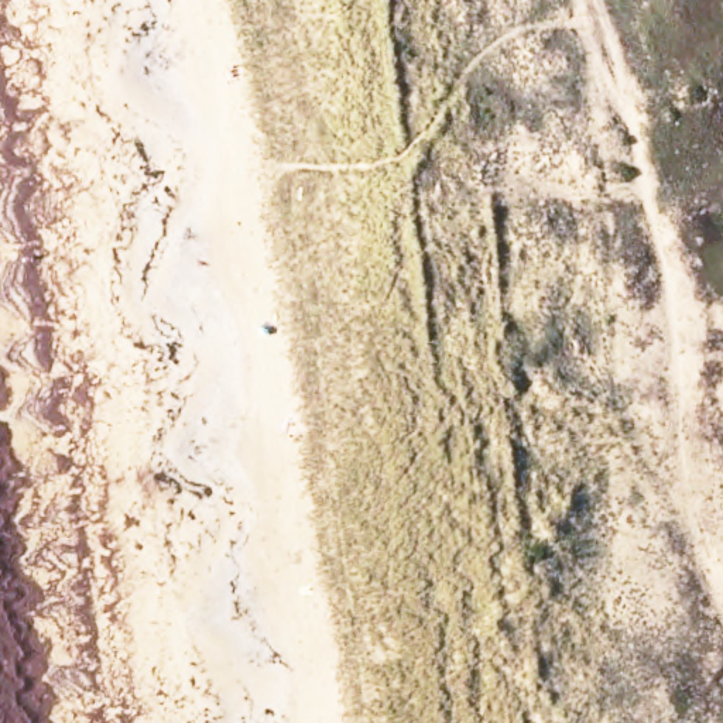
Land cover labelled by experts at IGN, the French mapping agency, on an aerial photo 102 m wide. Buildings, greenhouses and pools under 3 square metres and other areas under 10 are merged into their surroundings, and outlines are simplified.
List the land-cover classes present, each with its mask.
<instances>
[{"label":"bare soil","instance_id":"1","mask_svg":"<svg viewBox=\"0 0 723 723\"><path fill-rule=\"evenodd\" d=\"M565 8L573 17V0H0V723H723V720L720 706H712V712H706L703 703H692L683 717H678L669 692L678 683V652L692 655L700 664L703 683L715 678V672L723 664V619L709 616L712 596L700 582L695 548L678 525L681 511L672 506L669 491L678 480V469L669 463L667 452L658 449V435L652 432V426L635 424L627 415L630 404H672V342L667 336L669 311L658 299L664 277L650 240L644 206L616 201L607 192V184L638 178V169L633 167L635 138L621 116L607 119L610 130L621 138L624 147L616 158L599 155V144L590 138L593 116L585 96L587 56L579 48V31L559 28L556 20L548 14ZM520 328L525 330L528 345L537 347V367L514 370L508 378L497 367L494 345L503 336V330L517 333ZM514 483L528 486V514L534 537L551 548L548 559L534 565V570L528 573L522 568V551L517 539L520 520ZM672 93L678 110L672 113V119L681 121L689 96L700 102L706 99V90L703 85H695L689 90L686 85H675ZM658 212L678 226L681 209L669 195V186L658 178ZM703 240L720 243L723 234V229L712 215L695 217Z\"/></svg>","mask_w":723,"mask_h":723},{"label":"pervious surface","instance_id":"2","mask_svg":"<svg viewBox=\"0 0 723 723\"><path fill-rule=\"evenodd\" d=\"M548 14L556 20L559 28L579 31V48L587 56L585 96L593 116L590 138L599 144V155L616 158L624 147L621 138L610 130L607 119L621 116L635 138L633 167L638 169V178L607 184V192L616 201L644 206L650 240L664 277L658 299L669 311L667 336L672 342V404H630L627 415L635 424L652 426V432L658 435V449L667 452L669 463L678 469V480L669 491L672 506L681 511L678 525L695 548L700 582L712 596L709 616L723 619V297L712 285H698L689 268L683 265V243L678 237V226L658 212V178L655 164L650 161L647 93L624 65V51L604 0H573V17L565 8Z\"/></svg>","mask_w":723,"mask_h":723},{"label":"herbaceous vegetation","instance_id":"3","mask_svg":"<svg viewBox=\"0 0 723 723\"><path fill-rule=\"evenodd\" d=\"M624 51V65L647 93L650 161L655 164L658 178L669 186V195L681 209L678 226V237L683 243V265L689 268L698 285H712L723 297V234L720 243L703 240L695 217L712 215L723 229V0H604ZM675 85H686L689 90L695 85H703L706 90V99L700 102L689 96L681 121L672 119V113L678 110L672 93ZM678 683L669 692L678 717H683L692 703H703L706 712H712V706H720L723 720V664L715 672V678L703 683L700 664L692 655L678 652Z\"/></svg>","mask_w":723,"mask_h":723},{"label":"brushwood","instance_id":"4","mask_svg":"<svg viewBox=\"0 0 723 723\"><path fill-rule=\"evenodd\" d=\"M497 367L508 378L514 370L537 367V347L528 345L525 330L520 328L517 333L503 330V336L494 345ZM520 520L517 539L522 551V568L528 573L534 570V565L548 559L551 548L534 537L528 514V486L514 483Z\"/></svg>","mask_w":723,"mask_h":723}]
</instances>
